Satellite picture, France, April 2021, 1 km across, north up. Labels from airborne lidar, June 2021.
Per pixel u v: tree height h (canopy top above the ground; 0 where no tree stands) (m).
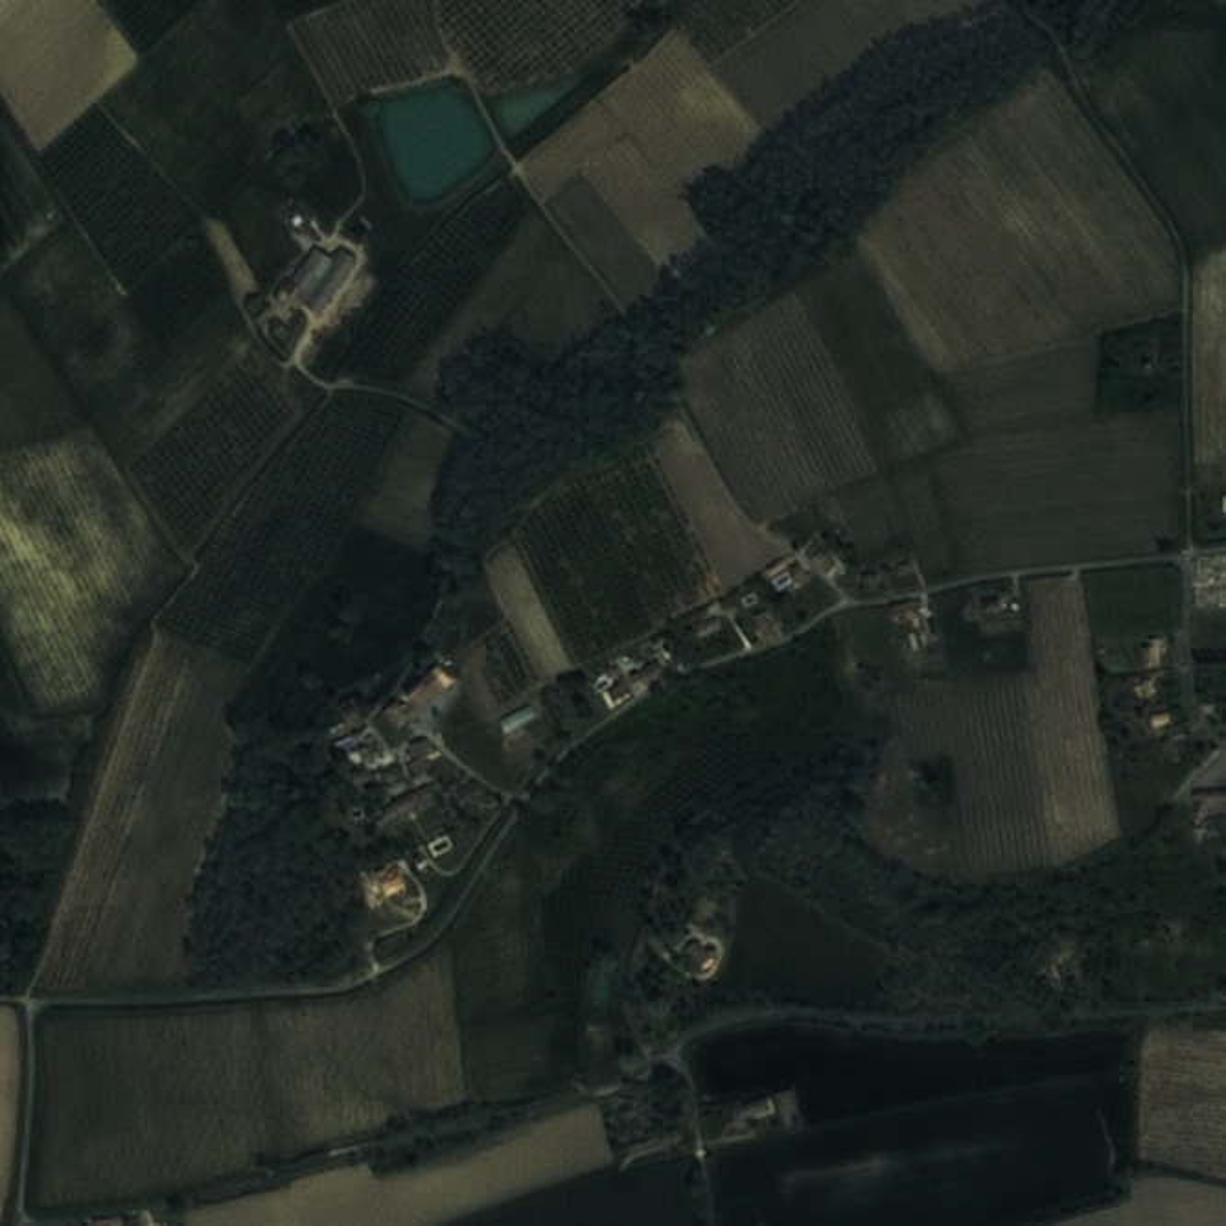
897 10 0
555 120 0
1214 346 0
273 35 0
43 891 12
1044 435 0
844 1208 0
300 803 17
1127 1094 0
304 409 0
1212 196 0
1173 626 0
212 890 15
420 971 0
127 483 0
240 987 22
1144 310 0
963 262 0
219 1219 0
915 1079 0
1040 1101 0
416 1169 13
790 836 18
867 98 20
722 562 0
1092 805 0
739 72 0
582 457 20
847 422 0
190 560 0
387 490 0
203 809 0
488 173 0
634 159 0
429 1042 0
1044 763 0
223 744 0
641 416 19
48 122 0
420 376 0
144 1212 0
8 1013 0
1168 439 0
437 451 0
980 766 0
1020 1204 0
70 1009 0
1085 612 0
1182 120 0
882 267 0
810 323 0
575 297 0
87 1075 0
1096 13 18
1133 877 0
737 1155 0
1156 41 0
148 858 0
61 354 0
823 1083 0
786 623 8
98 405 0
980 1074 0
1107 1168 0
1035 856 0
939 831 0
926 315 0
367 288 0
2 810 0
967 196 0
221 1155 0
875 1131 0
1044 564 0
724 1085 0
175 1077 0
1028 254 0
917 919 10
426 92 0
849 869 15
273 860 19
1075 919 14
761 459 0
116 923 0
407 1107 0
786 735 0
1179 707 8
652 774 0
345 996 0
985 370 0
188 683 0
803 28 0
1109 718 13
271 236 0
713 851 16
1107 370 6
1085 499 0
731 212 15
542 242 0
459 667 0
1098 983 23
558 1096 0
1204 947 0
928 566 0
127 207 6
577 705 9
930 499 0
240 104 0
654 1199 0
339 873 18
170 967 0
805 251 24
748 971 0
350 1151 0
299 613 0
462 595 14
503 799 8
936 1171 0
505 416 19
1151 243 0
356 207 0
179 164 0
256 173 0
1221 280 0
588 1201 0
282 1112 0
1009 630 0
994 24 18
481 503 21
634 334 13
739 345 0
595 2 5
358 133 0
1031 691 0
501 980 0
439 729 0
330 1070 0
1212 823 0
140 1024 0
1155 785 0
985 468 0
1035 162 0
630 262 0
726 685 14
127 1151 0
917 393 0
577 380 16
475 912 0
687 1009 15
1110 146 0
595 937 0
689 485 0
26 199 0
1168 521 0
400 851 11
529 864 0
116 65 0
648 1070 0
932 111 19
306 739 10
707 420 0
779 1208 0
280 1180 0
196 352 0
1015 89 15
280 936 15
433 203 0
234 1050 0
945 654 0
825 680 0
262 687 0
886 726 0
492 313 0
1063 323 0
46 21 0
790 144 15
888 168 28
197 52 0
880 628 0
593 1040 0
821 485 0
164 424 0
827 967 0
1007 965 12
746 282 20
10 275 0
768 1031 0
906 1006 15
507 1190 0
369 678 9
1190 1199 0
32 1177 0
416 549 0
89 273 0
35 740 0
